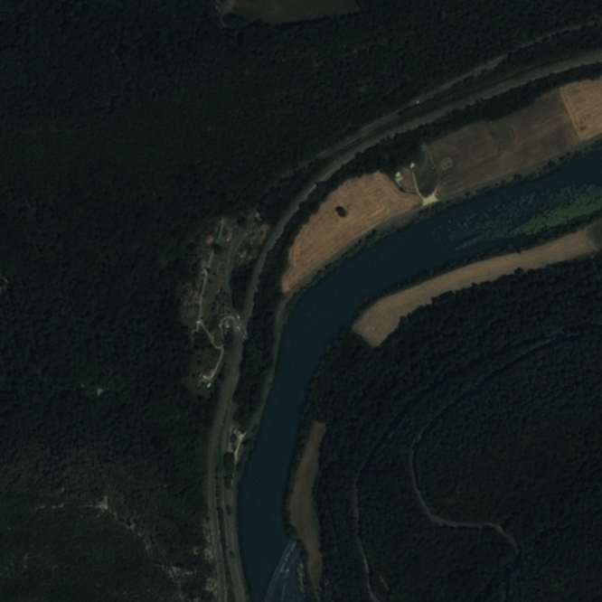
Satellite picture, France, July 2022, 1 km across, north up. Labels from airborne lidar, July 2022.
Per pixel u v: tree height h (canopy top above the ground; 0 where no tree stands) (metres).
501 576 10
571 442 20
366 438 23
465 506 18
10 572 7
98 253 22
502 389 21
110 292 26
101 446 20
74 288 19
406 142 22
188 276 22
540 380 20
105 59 25
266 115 17
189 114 12
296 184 24
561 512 25
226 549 16
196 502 19
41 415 30
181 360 19
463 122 19
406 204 0
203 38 29
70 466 19
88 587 10
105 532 9
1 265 30
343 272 0
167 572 8
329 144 17
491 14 18
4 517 9
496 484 15
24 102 23
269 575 0
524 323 29
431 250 0
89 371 22
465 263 9
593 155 0
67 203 26
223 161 19
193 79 12
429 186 0
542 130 0
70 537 7
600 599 29
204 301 0
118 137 15
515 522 17
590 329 22
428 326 23
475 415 19
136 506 13
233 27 23
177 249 11
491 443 13
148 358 26
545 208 0
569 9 16
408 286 9
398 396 22
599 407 21
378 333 0
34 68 22
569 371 18
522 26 18
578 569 22
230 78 10
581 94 0
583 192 0
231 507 13
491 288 20
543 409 15
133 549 10
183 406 17
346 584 17
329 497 18
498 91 0
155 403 12
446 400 19
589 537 22
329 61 18
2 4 27
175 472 17
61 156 14
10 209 25
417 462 13
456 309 21
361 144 11
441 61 18
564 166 0
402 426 15
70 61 30
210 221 7
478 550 23
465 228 0
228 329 7
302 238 0
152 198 24
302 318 0
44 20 29
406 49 16
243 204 29
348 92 18
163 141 17
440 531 20
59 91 24
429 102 10
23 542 11
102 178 20
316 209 20
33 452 15
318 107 20
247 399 15
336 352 16
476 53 18
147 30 30
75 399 26
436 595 25
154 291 25
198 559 11
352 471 17
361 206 0
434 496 19
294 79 18
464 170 0
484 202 0
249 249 7
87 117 16
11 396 27
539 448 15
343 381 23
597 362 19
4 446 19
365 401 28
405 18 27
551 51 18
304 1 0
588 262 8
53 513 13
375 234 14
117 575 11
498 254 10
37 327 31
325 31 21
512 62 21
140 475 19
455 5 17
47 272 25
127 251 23
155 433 16
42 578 10
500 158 0
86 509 8
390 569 16
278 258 20
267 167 27
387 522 17
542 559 25
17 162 16
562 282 29
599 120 0
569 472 22
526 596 14
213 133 15
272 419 0
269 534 0
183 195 25
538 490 18
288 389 0
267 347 13
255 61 17
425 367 22
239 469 10
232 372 0
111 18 29
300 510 0
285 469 0
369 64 18
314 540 0
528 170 0
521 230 0
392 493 19
